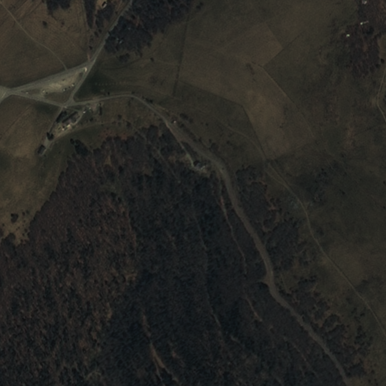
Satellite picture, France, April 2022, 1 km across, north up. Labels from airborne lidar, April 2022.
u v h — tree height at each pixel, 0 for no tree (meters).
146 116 0
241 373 28
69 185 19
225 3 0
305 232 0
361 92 0
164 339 31
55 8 12
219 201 16
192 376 32
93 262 24
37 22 0
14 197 0
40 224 16
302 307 11
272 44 0
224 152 0
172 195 22
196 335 25
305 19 0
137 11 12
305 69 0
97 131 0
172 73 0
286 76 0
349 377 9
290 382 21
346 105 0
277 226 6
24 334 29
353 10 0
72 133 0
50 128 0
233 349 28
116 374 23
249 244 13
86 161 21
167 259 30
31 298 29
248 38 0
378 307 0
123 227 29
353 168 0
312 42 0
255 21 0
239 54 0
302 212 0
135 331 33
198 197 16
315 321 8
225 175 0
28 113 0
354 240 0
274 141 0
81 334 29
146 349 31
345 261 0
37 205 0
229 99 0
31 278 24
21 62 0
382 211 0
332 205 0
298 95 0
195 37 0
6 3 0
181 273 28
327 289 0
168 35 0
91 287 31
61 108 0
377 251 0
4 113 0
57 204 14
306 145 0
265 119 0
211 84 0
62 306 31
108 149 13
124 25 12
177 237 27
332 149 0
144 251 27
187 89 0
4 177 0
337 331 10
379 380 0
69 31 0
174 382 30
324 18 0
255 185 8
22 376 29
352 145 0
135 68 0
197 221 15
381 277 0
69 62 0
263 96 0
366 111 0
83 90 0
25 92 0
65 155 0
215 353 27
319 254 0
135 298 30
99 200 27
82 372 32
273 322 18
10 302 24
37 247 20
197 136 0
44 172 0
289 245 11
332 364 17
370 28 11
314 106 0
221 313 15
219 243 16
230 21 0
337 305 0
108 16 15
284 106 0
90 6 12
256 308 18
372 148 0
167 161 13
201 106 0
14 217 10
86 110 0
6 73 0
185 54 0
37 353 33
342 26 0
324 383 16
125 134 0
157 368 12
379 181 0
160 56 0
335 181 0
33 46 0
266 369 17
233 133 0
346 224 0
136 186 26
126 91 0
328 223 0
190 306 25
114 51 10
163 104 0
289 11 0
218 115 0
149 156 17
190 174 16
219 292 19
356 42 9
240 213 0
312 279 6
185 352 29
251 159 0
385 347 0
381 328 0
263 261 11
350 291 0
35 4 0
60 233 23
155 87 0
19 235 0
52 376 34
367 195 0
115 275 7
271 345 21
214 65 0
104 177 28
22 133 0
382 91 0
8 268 19
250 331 21
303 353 16
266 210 10
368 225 0
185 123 0
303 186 0
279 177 0
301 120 0
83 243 29
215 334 29
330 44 0
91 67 0
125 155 22
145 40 9
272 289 0
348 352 10
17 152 0
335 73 0
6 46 0
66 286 31
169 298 29
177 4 10
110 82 0
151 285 34
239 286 15
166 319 26
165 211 26
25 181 0
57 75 0
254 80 0
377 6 18
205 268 21
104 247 25
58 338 32
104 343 28
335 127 0
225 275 17
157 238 23
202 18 0
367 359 0
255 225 10
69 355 26
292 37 0
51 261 27
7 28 0
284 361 21
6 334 29
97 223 28
